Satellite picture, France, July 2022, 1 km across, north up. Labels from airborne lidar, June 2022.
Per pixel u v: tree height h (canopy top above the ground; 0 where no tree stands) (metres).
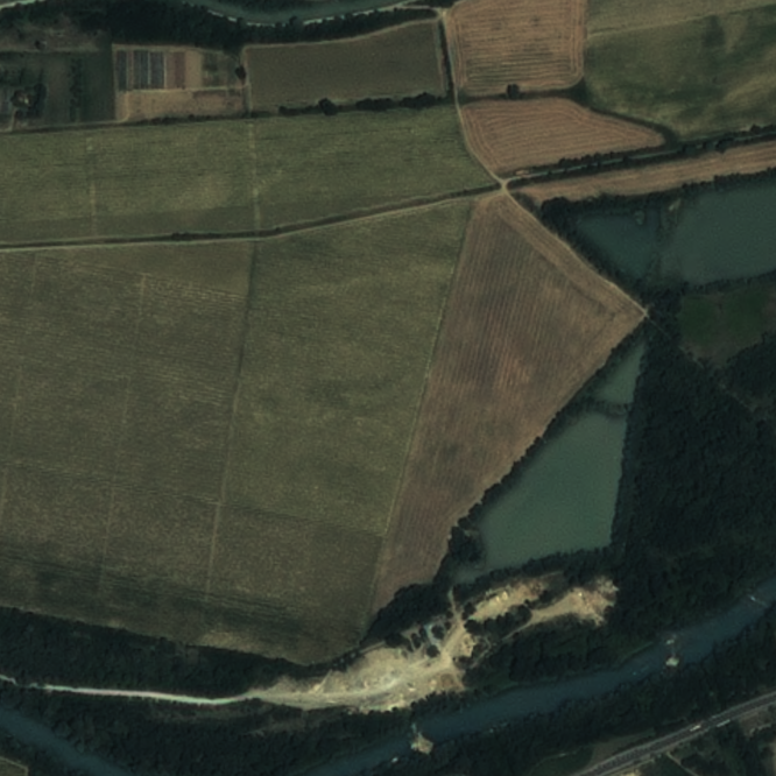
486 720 0
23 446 0
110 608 0
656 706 10
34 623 10
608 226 0
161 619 0
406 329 0
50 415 0
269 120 0
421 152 0
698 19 0
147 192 0
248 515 0
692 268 0
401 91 0
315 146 0
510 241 0
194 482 0
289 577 0
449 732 0
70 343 0
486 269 0
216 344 0
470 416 0
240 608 0
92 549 0
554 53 0
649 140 0
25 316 0
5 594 0
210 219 0
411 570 0
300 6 12
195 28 19
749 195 0
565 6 0
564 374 0
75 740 22
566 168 10
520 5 0
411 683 0
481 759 15
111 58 0
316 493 0
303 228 0
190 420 0
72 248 0
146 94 0
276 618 0
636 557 23
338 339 0
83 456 0
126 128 0
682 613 13
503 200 0
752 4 0
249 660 9
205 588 0
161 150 0
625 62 0
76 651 15
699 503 23
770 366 10
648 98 0
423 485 0
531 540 0
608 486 0
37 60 0
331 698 0
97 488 0
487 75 0
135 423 0
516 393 0
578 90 0
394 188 0
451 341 0
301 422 0
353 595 0
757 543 8
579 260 0
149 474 0
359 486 0
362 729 9
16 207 0
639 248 0
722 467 24
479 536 0
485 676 13
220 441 0
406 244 0
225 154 0
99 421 0
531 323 0
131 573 0
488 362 0
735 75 0
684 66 0
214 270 0
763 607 0
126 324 0
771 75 0
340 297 0
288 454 0
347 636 0
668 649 0
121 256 0
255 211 0
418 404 0
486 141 0
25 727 0
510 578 14
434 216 0
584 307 0
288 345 0
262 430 0
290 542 0
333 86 0
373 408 0
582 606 0
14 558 0
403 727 16
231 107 0
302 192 0
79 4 18
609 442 0
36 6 7
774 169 7
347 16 11
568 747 15
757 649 19
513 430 0
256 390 0
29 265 0
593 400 11
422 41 0
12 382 0
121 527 0
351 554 0
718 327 0
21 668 18
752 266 0
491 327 0
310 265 0
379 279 0
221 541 0
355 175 0
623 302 0
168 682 12
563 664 28
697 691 13
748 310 0
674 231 0
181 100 0
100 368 0
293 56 0
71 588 0
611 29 0
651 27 0
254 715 5
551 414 0
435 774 9
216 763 18
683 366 15
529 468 0
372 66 0
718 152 12
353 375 0
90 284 0
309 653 0
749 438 24
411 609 13
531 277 0
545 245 0
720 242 0
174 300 0
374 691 0
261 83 0
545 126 0
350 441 0
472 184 0
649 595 15
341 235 0
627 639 9
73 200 0
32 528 0
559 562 20
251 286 0
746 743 11
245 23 16
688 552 13
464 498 0
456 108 0
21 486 0
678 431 25
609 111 0
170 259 0
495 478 0
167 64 0
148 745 19
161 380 0
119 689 8
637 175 0
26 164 0
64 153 0
